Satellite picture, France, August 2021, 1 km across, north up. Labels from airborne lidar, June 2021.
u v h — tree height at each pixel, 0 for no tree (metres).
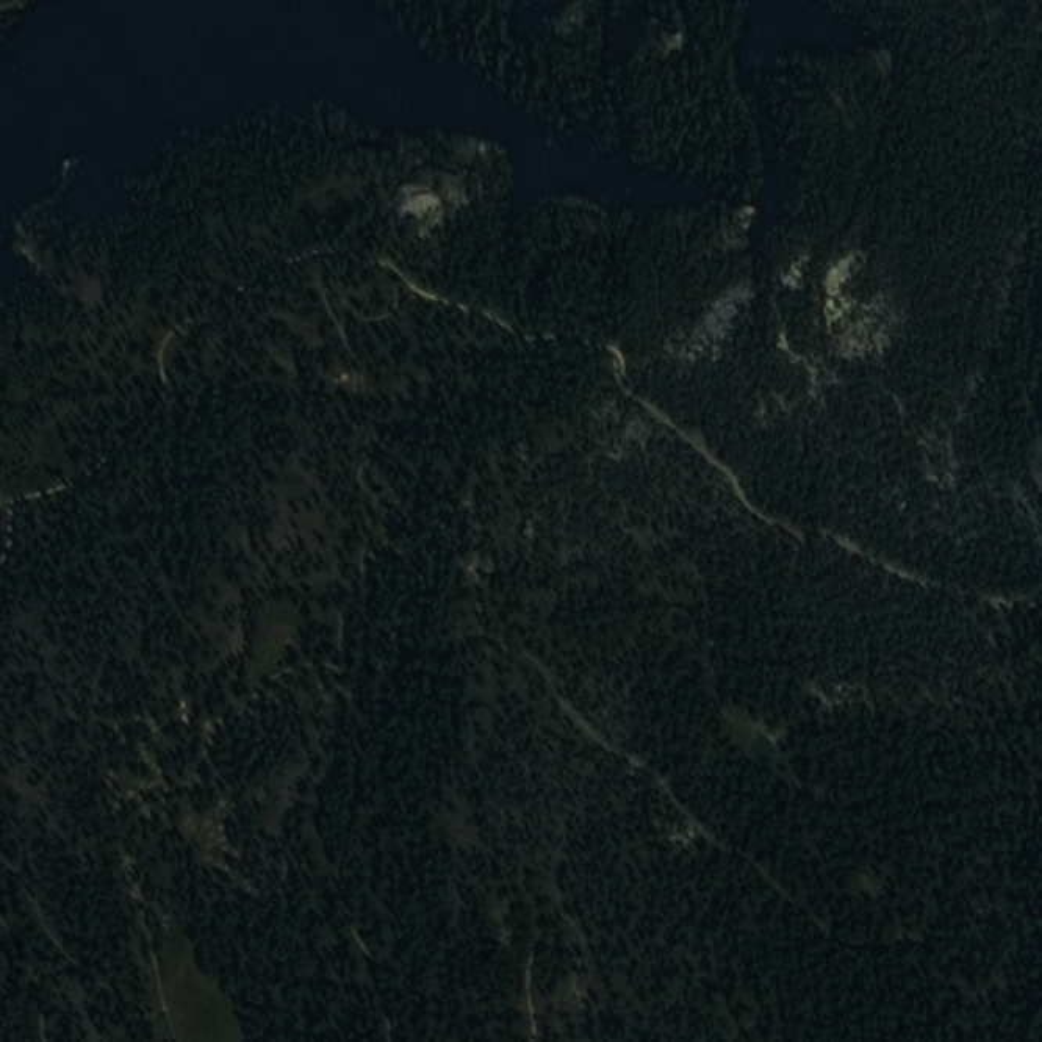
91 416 27
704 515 15
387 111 8
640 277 19
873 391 14
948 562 11
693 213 10
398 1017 19
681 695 11
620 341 16
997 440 11
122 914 7
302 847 22
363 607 21
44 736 0
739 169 14
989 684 15
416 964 15
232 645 0
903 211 12
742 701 16
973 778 18
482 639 8
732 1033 23
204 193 22
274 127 19
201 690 25
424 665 16
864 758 24
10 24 14
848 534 14
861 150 19
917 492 13
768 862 23
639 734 10
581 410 10
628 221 13
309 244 7
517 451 16
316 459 15
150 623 18
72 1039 25
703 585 11
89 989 24
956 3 7
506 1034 11
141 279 25
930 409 11
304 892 20
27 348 23
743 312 12
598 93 9
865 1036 20
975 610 20
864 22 9
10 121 13
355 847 20
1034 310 17
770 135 9
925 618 10
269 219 21
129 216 15
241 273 19
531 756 14
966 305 13
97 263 9
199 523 25
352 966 18
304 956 25
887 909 6
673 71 24
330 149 17
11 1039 26
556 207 12
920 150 21
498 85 22
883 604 9
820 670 12
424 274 18
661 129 22
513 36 9
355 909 21
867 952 8
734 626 9
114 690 20
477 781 20
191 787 0
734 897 13
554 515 9
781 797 21
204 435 29
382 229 21
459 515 14
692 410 15
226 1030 0
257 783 18
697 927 11
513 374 24
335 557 0
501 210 16
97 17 24
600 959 13
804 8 12
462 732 14
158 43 15
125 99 22
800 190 12
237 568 15
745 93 14
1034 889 14
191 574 24
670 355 8
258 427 25
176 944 0
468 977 13
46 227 17
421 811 19
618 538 12
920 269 14
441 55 21
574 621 13
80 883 8
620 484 12
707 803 20
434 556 22
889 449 18
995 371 14
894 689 17
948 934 13
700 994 11
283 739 22
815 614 8
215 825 0
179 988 0
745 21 11
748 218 10
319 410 26
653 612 11
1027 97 21
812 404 7
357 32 19
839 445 13
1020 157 19
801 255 8
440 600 19
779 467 17
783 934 13
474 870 12
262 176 17
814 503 17
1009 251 15
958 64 13
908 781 24
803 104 9
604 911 22
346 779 25
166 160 15
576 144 7
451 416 22
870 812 14
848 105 14
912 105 19
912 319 8
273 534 10
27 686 6
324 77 14
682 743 14
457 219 9
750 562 16
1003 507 7
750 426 13
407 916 22
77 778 7
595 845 16
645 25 13
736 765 19
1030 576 8
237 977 25
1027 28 15
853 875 8
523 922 15
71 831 12
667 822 16
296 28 16
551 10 9
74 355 23
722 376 11
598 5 13
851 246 6
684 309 16
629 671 9
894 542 13
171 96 18
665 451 9
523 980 6
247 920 28
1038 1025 23
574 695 15
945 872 15
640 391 16
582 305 21
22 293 13
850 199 15
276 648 0
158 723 22
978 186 23
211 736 0
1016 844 24
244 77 17
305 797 20
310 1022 7
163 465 27
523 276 6
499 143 16
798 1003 14
